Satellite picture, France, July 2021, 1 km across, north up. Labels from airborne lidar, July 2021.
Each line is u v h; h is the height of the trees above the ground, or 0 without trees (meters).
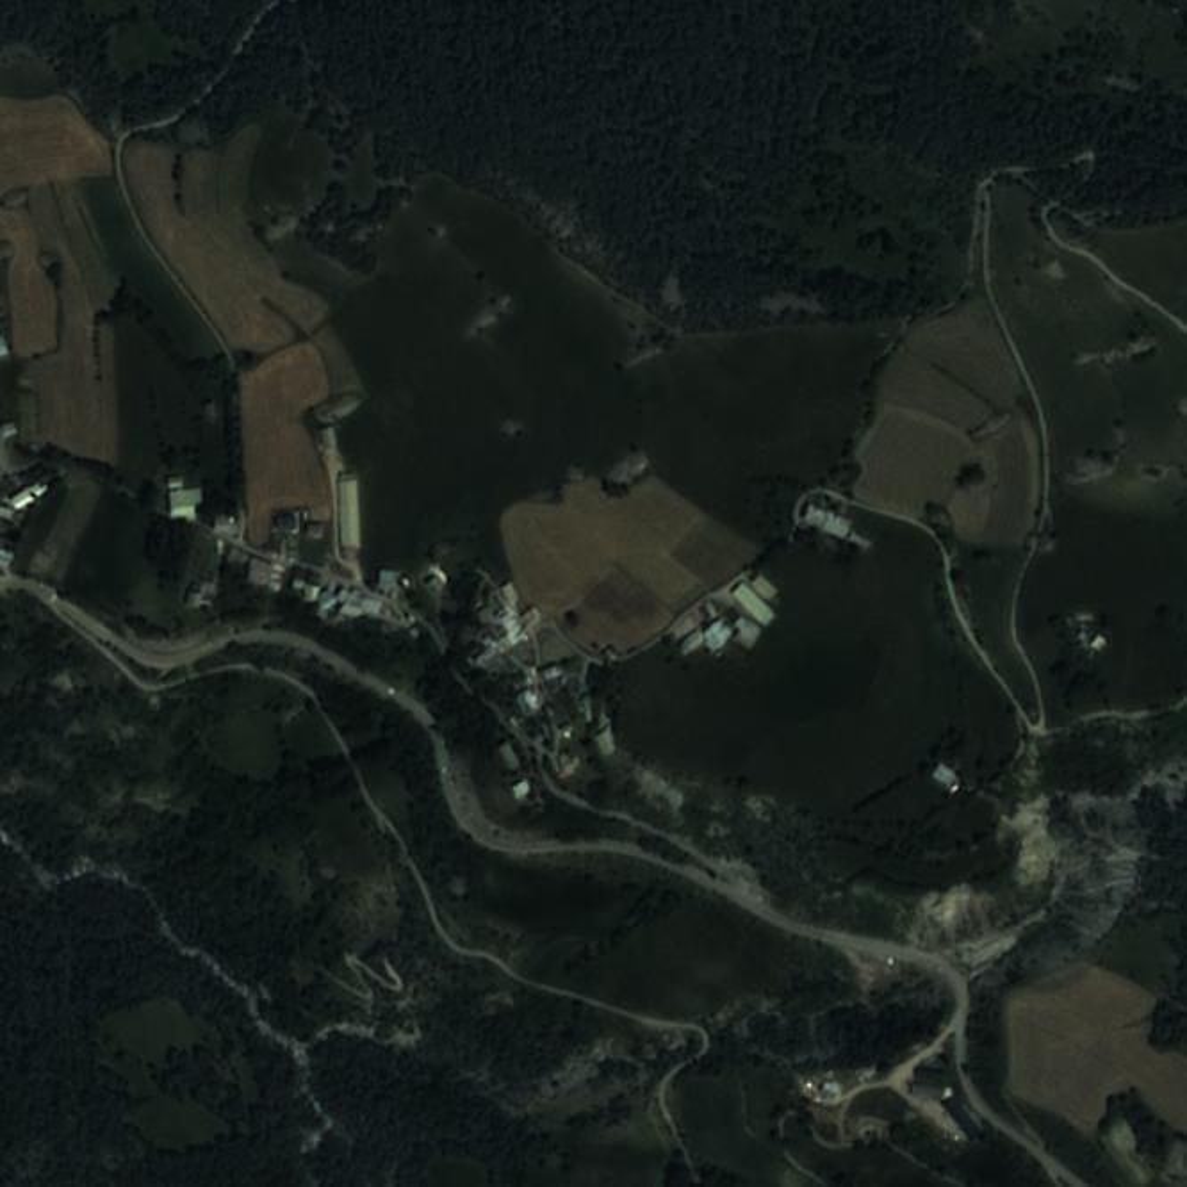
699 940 0
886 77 15
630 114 12
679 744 0
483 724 10
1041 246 0
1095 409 0
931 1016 7
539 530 0
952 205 7
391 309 0
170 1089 11
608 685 16
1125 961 0
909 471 0
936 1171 6
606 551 0
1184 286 0
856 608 0
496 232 0
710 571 0
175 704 10
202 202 0
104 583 0
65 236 0
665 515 0
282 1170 10
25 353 0
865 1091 0
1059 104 6
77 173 0
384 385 0
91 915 14
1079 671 8
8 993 17
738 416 0
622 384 0
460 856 12
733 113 14
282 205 0
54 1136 10
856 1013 6
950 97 17
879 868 7
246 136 0
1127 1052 0
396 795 0
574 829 6
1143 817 7
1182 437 0
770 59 15
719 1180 14
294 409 0
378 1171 7
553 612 0
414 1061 11
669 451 0
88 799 6
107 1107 16
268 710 7
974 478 19
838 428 0
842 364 0
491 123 17
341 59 18
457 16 13
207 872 11
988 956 0
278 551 0
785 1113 10
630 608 0
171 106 14
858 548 12
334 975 6
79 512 0
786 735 0
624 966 0
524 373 0
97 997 15
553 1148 8
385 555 0
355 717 12
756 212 9
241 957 11
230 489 11
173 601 0
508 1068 7
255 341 0
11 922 9
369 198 0
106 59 15
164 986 11
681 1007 0
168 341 15
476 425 0
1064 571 0
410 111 14
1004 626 0
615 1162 0
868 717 0
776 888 7
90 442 0
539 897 0
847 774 0
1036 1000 0
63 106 0
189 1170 12
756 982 0
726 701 0
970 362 0
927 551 0
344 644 13
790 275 18
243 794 18
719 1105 0
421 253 0
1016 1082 0
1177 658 0
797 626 0
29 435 0
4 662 6
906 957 0
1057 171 11
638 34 15
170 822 7
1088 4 0
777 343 0
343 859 0
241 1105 14
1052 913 8
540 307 0
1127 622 0
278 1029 13
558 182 10
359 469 0
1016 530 0
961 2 7
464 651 7
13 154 0
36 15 11
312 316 0
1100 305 0
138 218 0
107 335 0
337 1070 10
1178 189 17
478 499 0
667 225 13
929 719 0
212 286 0
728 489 0
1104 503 0
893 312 8
